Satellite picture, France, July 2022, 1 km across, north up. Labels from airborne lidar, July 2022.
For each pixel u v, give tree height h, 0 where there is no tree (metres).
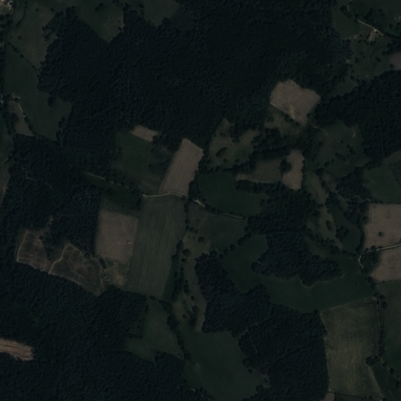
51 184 19
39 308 27
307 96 0
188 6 18
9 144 0
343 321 0
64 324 18
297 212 13
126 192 0
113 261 0
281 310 11
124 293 9
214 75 19
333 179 0
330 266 7
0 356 25
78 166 12
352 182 14
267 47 17
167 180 0
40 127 0
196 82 9
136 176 0
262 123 16
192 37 18
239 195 0
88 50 15
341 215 0
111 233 0
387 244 0
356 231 0
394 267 0
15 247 13
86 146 24
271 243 19
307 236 8
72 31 17
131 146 0
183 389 12
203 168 11
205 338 0
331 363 0
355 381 0
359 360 0
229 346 0
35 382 23
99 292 0
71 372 18
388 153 13
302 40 19
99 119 16
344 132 0
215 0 12
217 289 30
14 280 28
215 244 0
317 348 22
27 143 20
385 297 10
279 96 0
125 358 20
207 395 11
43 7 0
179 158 0
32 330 18
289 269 16
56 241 14
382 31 13
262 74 21
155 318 0
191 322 7
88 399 21
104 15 0
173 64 20
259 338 11
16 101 12
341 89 0
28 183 9
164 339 0
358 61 12
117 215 0
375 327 0
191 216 0
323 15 26
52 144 15
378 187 0
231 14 8
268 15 25
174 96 17
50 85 15
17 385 25
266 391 10
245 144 0
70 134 21
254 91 26
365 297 0
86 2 0
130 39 21
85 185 21
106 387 11
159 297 0
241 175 0
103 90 12
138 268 0
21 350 0
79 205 29
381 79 19
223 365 0
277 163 0
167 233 0
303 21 22
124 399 16
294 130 0
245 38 22
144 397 16
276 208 7
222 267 8
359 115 8
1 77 14
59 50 14
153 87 15
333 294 0
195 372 0
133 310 8
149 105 15
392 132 13
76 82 18
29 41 0
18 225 25
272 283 0
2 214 11
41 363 22
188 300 0
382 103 16
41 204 18
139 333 0
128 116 10
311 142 7
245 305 16
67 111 0
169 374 19
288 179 0
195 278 0
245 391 0
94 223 26
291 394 14
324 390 17
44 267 0
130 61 24
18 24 8
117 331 9
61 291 19
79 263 0
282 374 8
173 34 27
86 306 21
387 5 0
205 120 15
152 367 18
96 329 16
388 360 0
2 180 0
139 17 5
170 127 11
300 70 21
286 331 14
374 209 0
